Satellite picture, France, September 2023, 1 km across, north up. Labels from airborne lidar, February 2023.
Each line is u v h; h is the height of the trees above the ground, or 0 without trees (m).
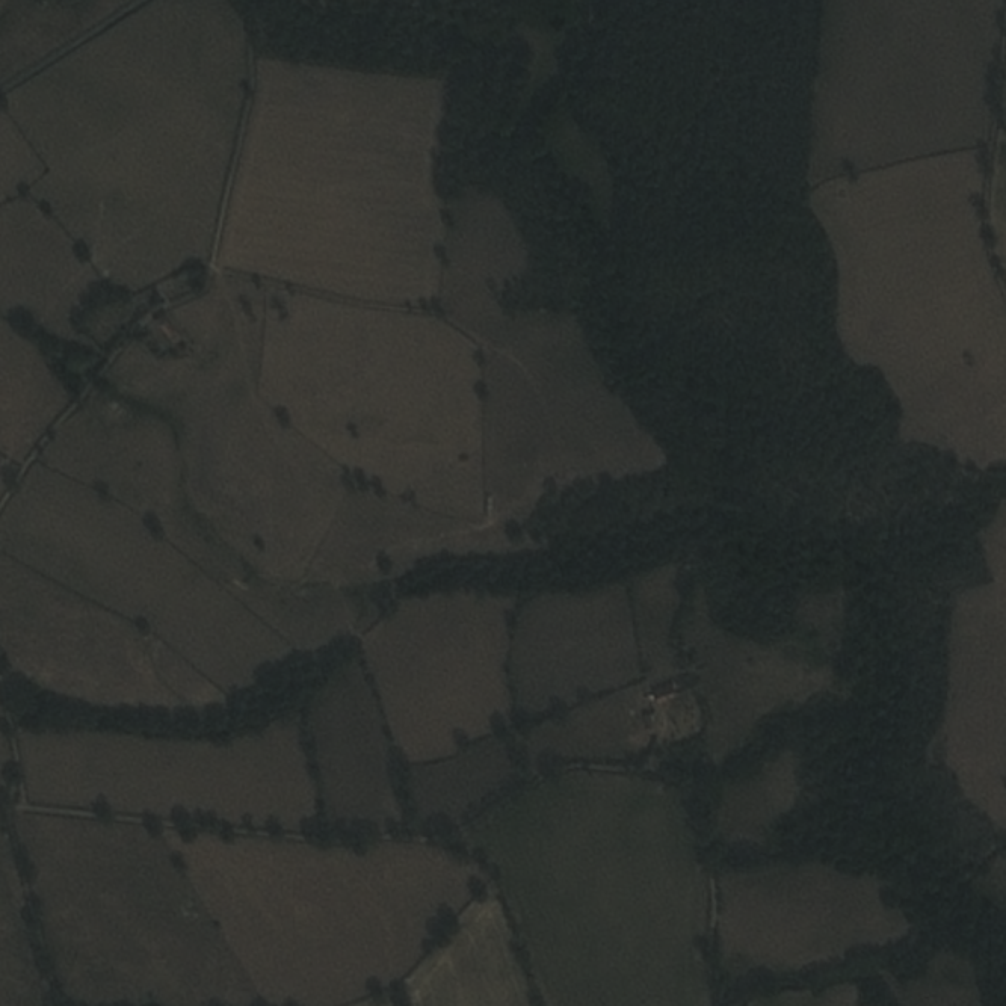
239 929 0
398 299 0
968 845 7
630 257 20
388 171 0
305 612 0
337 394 0
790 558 7
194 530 0
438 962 0
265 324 0
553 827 0
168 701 0
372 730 0
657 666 0
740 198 7
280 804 0
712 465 23
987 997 17
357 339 0
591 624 0
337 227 0
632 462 0
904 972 17
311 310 0
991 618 0
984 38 0
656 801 0
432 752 0
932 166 0
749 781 0
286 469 0
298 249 0
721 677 0
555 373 0
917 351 0
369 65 14
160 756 0
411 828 14
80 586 0
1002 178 0
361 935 0
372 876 0
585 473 0
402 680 0
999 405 0
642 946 0
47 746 0
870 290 0
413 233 0
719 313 14
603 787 0
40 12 0
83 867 0
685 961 0
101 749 0
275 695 21
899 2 0
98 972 0
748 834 0
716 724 0
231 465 0
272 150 0
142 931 0
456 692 0
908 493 14
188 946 0
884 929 0
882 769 14
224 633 0
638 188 21
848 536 16
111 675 0
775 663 0
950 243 0
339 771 0
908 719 25
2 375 0
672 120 16
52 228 0
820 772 19
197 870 0
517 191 25
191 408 0
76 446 0
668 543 14
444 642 0
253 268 0
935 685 11
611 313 22
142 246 0
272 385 0
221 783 0
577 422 0
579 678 0
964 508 9
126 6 0
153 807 0
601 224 0
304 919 0
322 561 0
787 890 0
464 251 0
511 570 19
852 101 0
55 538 0
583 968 0
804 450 18
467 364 0
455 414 0
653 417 17
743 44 20
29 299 0
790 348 12
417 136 0
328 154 0
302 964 0
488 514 0
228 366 0
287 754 0
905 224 0
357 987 0
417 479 0
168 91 0
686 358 28
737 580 7
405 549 0
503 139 7
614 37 15
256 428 0
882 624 22
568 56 16
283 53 10
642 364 21
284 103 0
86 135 0
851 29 0
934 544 15
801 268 13
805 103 17
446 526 0
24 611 0
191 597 0
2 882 0
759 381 19
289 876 0
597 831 0
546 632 0
